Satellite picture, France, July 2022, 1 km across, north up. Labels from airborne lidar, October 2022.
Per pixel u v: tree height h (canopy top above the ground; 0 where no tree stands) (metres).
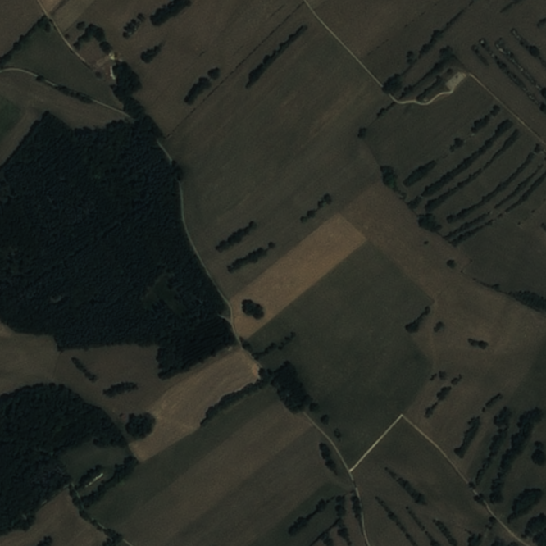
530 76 0
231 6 0
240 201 0
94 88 0
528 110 0
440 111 0
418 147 0
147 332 22
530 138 0
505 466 17
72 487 8
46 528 0
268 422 0
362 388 0
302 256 0
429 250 0
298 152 0
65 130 12
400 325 0
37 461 16
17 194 20
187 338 12
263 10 0
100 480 0
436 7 0
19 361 0
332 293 0
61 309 17
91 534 0
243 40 0
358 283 0
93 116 0
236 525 0
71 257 17
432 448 0
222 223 0
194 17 0
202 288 21
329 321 0
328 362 0
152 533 0
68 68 0
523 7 0
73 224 19
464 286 0
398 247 0
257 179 0
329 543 12
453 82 0
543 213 0
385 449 0
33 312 17
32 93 0
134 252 21
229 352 0
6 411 5
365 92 0
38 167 17
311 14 0
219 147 0
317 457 0
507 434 10
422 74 0
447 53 17
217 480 0
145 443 0
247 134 0
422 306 0
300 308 0
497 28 0
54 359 0
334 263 0
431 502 0
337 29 0
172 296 0
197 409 0
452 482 0
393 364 0
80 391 0
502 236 0
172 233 20
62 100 0
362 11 0
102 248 20
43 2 0
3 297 19
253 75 12
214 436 0
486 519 0
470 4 0
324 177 0
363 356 0
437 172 0
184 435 0
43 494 19
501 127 11
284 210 0
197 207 0
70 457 0
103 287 20
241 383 0
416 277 0
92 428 19
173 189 18
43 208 9
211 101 0
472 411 0
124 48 0
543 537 18
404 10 0
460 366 0
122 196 12
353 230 0
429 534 6
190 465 0
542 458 20
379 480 0
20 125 0
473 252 0
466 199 0
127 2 0
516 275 0
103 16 0
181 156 0
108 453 0
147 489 0
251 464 0
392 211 0
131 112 16
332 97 0
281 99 0
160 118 0
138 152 24
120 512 0
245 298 0
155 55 9
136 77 19
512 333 0
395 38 0
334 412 0
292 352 0
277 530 0
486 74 0
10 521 16
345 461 0
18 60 0
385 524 0
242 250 0
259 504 0
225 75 0
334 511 0
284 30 0
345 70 0
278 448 0
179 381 0
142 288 24
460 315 0
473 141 0
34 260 20
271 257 0
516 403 0
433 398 0
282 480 0
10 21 0
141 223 20
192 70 0
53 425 18
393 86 15
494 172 0
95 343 22
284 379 12
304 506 0
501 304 0
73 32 0
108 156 18
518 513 13
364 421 0
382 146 0
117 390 16
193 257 18
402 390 0
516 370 0
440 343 0
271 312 0
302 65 0
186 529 0
